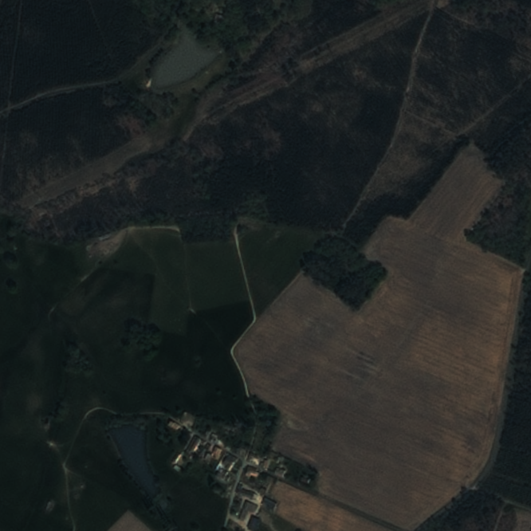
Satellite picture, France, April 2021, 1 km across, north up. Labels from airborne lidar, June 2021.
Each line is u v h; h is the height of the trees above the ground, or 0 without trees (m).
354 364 0
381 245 0
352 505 0
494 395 0
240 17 17
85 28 9
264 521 0
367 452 0
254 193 12
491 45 6
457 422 0
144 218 16
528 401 12
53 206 12
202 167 9
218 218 12
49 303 0
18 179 6
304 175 6
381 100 8
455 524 17
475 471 0
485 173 0
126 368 0
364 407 0
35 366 0
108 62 7
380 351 0
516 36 20
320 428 0
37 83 8
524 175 7
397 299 0
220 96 0
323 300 0
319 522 0
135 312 0
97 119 10
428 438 0
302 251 0
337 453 0
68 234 11
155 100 16
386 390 0
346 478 0
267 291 0
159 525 0
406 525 0
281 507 0
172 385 0
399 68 7
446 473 0
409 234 0
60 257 0
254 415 9
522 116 7
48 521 0
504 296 0
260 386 0
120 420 9
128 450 0
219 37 13
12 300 0
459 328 0
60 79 9
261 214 14
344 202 7
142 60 0
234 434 6
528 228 10
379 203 7
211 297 0
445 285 0
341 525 0
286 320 0
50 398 0
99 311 0
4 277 0
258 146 7
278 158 8
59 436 0
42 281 0
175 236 0
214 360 0
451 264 0
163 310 0
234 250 0
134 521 0
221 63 0
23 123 8
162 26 7
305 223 6
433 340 0
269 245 0
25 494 0
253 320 0
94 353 0
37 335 0
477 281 0
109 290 0
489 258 0
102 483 0
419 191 7
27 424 0
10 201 6
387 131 6
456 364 0
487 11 9
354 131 7
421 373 0
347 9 7
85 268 0
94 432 0
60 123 10
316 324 0
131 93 6
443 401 0
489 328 0
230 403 0
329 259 14
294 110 6
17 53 8
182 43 0
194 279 0
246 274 0
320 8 7
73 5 10
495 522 9
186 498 0
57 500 0
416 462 0
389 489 0
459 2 19
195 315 0
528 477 10
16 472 0
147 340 20
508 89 6
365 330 0
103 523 0
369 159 5
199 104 11
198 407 0
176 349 0
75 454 0
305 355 0
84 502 0
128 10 7
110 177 11
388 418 0
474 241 10
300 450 0
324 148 7
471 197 0
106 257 0
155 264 0
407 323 0
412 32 6
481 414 0
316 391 0
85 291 0
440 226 0
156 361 0
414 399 0
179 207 6
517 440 13
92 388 0
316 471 11
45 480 0
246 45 20
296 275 0
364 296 18
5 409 0
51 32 9
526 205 12
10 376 0
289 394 0
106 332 0
